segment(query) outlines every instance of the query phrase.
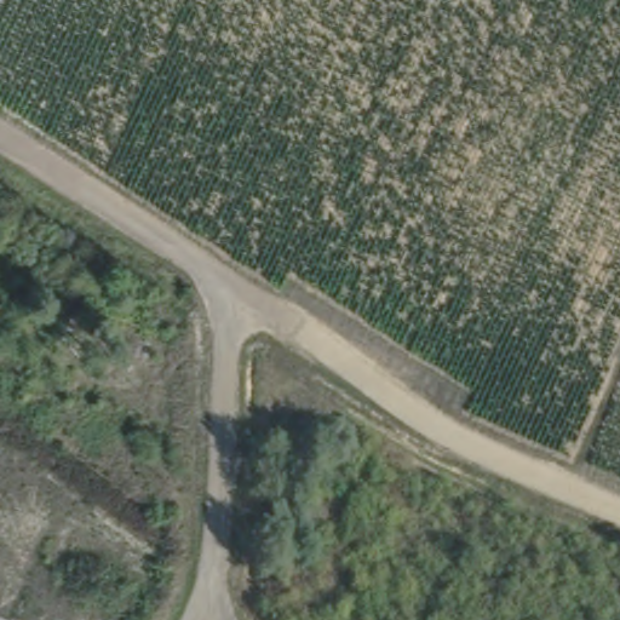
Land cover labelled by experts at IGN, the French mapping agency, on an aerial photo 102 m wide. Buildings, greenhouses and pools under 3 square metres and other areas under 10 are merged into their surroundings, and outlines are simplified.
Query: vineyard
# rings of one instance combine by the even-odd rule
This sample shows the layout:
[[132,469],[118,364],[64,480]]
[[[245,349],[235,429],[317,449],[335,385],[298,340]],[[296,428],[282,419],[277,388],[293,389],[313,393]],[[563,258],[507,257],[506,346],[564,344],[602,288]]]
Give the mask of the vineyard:
[[104,182],[107,186],[121,191],[136,203],[153,203],[157,211],[172,218],[172,225],[179,233],[189,228],[189,237],[199,249],[206,249],[216,262],[233,266],[237,276],[242,276],[252,286],[266,288],[305,308],[329,329],[334,329],[346,341],[356,344],[361,351],[375,358],[412,392],[424,397],[446,417],[523,455],[552,463],[562,470],[584,477],[591,484],[620,494],[620,0],[0,0],[0,121],[5,119],[7,124],[15,124],[19,131],[48,145],[53,153],[80,167],[85,174]]

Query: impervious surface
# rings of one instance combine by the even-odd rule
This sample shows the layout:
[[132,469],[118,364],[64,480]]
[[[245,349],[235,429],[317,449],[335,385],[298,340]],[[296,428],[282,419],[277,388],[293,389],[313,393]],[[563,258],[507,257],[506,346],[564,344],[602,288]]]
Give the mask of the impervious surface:
[[620,528],[620,494],[591,484],[584,477],[562,470],[552,463],[523,455],[446,417],[424,397],[412,392],[375,358],[361,351],[356,344],[346,341],[334,329],[329,329],[305,308],[266,288],[252,286],[242,276],[237,276],[233,266],[216,262],[206,249],[199,249],[189,237],[189,228],[179,233],[172,225],[172,218],[157,211],[153,203],[136,203],[121,191],[107,186],[104,182],[85,174],[80,167],[53,153],[48,145],[19,131],[15,124],[7,124],[5,119],[0,121],[0,155],[7,162],[24,167],[36,179],[53,186],[70,201],[80,203],[85,211],[94,213],[119,233],[138,240],[160,257],[174,262],[194,283],[196,295],[201,298],[208,312],[213,329],[213,383],[211,412],[203,414],[203,426],[213,436],[208,438],[208,496],[199,501],[199,511],[208,530],[203,533],[196,586],[182,620],[237,620],[235,603],[225,584],[228,567],[242,564],[249,557],[247,545],[257,526],[264,526],[264,518],[249,504],[249,463],[228,455],[235,450],[237,443],[235,417],[240,349],[247,337],[257,332],[271,334],[283,344],[295,346],[305,358],[325,363],[344,380],[356,385],[363,395],[383,404],[388,412],[421,431],[424,436],[429,436],[431,441],[450,448],[455,455],[477,463],[484,470],[492,470],[501,477],[509,477],[523,487],[530,487],[545,496],[572,504]]

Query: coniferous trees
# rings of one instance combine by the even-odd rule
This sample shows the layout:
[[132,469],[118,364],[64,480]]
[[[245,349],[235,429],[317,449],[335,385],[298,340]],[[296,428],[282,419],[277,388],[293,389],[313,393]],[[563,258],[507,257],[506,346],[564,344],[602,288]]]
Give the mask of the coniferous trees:
[[196,295],[194,283],[174,262],[160,257],[138,240],[119,233],[94,213],[85,211],[80,203],[70,201],[53,186],[36,179],[24,167],[7,162],[0,155],[0,620],[182,620],[196,586],[203,533],[208,530],[199,511],[199,501],[208,496],[208,438],[213,436],[203,426],[203,414],[211,412],[213,383],[213,329],[208,312],[201,298]]
[[240,349],[235,417],[237,443],[235,450],[228,455],[249,463],[249,504],[264,518],[264,526],[257,526],[247,545],[249,557],[242,564],[228,567],[225,584],[235,603],[237,620],[620,620],[620,528],[572,504],[545,496],[530,487],[523,487],[509,477],[501,477],[492,470],[484,470],[477,463],[455,455],[450,448],[431,441],[429,436],[424,436],[421,431],[388,412],[383,404],[363,395],[356,385],[344,380],[325,363],[305,358],[295,346],[283,344],[271,334],[257,332],[247,337]]

